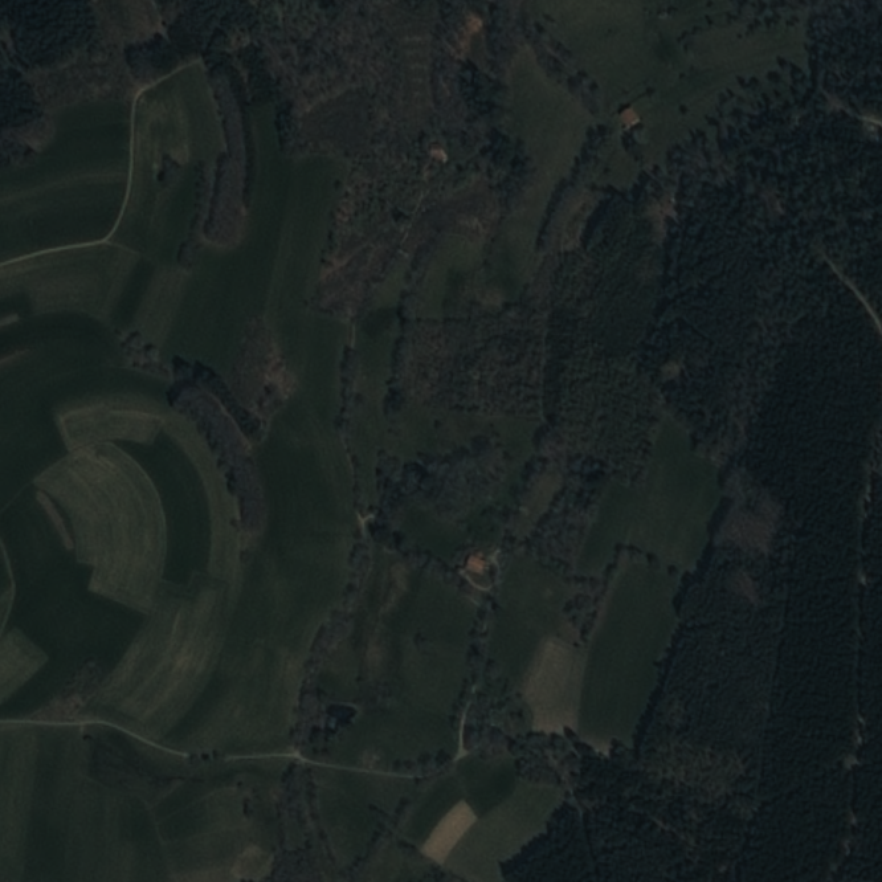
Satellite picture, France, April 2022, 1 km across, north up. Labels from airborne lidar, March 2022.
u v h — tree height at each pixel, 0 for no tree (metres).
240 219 25
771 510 30
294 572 0
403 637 0
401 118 18
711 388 25
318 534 0
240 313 0
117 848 0
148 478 0
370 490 0
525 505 19
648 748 23
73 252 0
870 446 21
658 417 7
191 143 0
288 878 9
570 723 0
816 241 26
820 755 20
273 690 0
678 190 14
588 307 9
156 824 0
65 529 0
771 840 23
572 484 15
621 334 7
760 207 21
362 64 17
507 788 0
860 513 19
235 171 27
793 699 22
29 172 0
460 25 31
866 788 22
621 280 8
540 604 0
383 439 0
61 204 0
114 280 0
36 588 0
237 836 0
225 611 0
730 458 10
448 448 0
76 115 0
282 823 10
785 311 26
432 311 0
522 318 9
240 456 30
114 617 0
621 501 0
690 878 15
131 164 0
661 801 13
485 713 9
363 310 8
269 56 22
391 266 23
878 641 23
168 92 0
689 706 16
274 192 0
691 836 14
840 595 19
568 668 0
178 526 0
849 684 22
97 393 0
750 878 25
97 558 0
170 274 0
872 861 22
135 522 0
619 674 0
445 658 0
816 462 21
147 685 0
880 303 20
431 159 15
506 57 29
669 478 0
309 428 0
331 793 0
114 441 0
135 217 0
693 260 23
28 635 0
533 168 15
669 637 0
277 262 0
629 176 0
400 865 0
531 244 0
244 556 9
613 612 0
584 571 0
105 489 0
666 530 0
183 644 0
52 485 0
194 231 12
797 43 0
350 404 19
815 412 21
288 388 0
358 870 13
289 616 0
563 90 0
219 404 16
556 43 7
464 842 0
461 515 25
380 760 14
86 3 17
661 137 0
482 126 33
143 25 0
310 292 0
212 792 0
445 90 30
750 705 22
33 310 0
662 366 20
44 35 24
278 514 0
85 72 0
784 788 20
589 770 11
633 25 0
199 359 0
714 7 9
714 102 0
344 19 16
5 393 0
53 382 0
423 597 0
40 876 0
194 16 13
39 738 0
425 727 0
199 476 0
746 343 18
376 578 0
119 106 0
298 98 14
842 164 13
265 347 0
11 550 0
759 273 20
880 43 26
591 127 0
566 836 19
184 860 0
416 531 0
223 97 21
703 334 23
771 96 0
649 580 0
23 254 0
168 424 0
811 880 24
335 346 0
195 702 0
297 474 0
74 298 0
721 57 0
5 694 0
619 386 11
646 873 27
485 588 0
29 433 0
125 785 0
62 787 0
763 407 26
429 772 19
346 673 0
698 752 14
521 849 0
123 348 7
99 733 0
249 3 9
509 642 0
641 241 7
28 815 0
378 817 14
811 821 23
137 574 0
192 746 0
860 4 23
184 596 0
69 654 0
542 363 6
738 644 21
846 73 24
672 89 0
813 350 17
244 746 0
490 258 0
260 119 0
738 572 21
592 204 0
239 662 0
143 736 0
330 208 0
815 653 21
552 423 8
